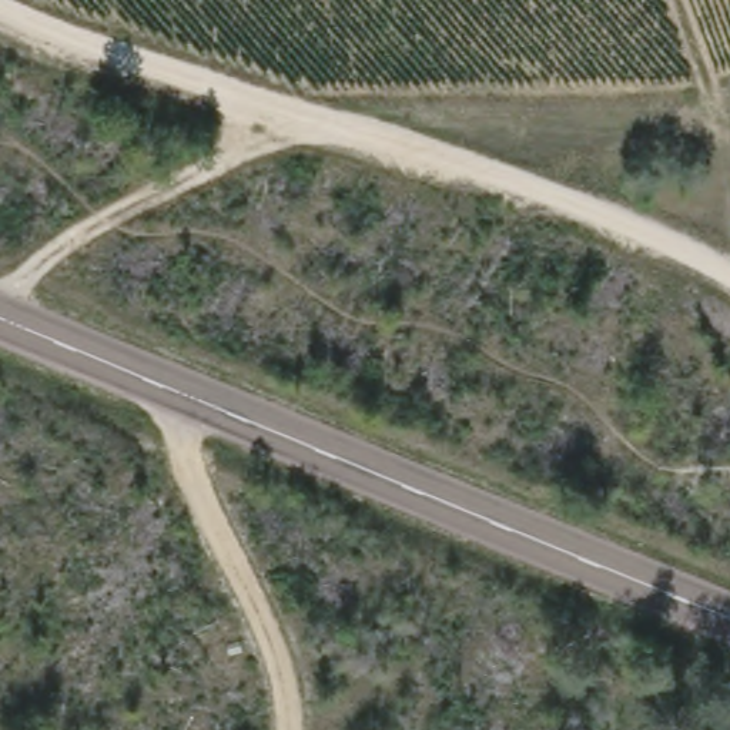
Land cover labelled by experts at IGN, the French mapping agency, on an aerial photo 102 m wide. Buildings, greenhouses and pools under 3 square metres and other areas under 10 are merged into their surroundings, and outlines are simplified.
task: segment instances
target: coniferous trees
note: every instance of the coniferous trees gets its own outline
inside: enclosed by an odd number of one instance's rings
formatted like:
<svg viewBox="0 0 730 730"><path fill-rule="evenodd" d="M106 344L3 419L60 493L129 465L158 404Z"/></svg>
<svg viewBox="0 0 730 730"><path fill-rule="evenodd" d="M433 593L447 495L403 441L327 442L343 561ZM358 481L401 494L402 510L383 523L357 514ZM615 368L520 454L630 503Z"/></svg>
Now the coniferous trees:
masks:
<svg viewBox="0 0 730 730"><path fill-rule="evenodd" d="M0 277L17 271L26 259L6 240L0 240Z"/></svg>
<svg viewBox="0 0 730 730"><path fill-rule="evenodd" d="M6 71L6 80L17 91L14 111L26 114L26 128L40 131L48 143L68 143L86 160L71 168L60 168L57 163L48 163L40 151L34 151L29 143L0 128L0 165L17 165L31 177L29 191L37 197L37 202L31 234L23 240L23 248L31 254L66 228L71 228L74 222L100 211L103 205L148 183L168 183L174 174L168 168L154 168L154 157L140 148L123 148L117 143L103 145L94 140L91 125L86 123L91 108L83 106L83 94L91 86L94 71L34 51L26 43L17 43L17 51L31 60L23 71Z"/></svg>
<svg viewBox="0 0 730 730"><path fill-rule="evenodd" d="M322 168L314 177L308 200L282 197L285 174L271 154L240 163L222 177L208 180L165 205L134 214L125 222L120 222L120 228L88 240L63 262L57 262L34 285L34 291L43 305L66 317L74 317L77 322L94 325L97 331L111 334L128 345L137 345L185 368L202 371L245 394L282 399L294 405L299 413L308 413L336 431L359 433L391 453L431 465L462 482L471 482L473 488L493 490L525 508L556 516L556 488L573 488L593 508L605 508L599 516L582 525L596 536L605 536L616 545L624 545L636 553L656 559L659 570L664 573L684 570L727 587L721 607L716 610L716 619L696 622L693 630L684 630L670 624L667 619L644 616L633 602L599 602L582 585L556 582L550 576L533 573L530 567L513 565L485 548L456 542L445 533L413 525L396 516L394 510L376 508L374 502L359 502L339 485L319 482L302 468L277 465L271 459L271 445L265 439L254 439L251 451L240 451L237 445L208 436L202 439L202 451L211 456L211 488L237 542L248 553L248 562L274 613L288 613L299 624L299 639L317 650L319 662L314 670L314 684L319 696L331 699L334 693L345 690L348 676L365 676L376 684L371 699L351 719L345 719L345 730L730 730L730 291L724 291L719 282L676 259L653 257L647 248L627 248L585 222L550 214L545 205L519 208L510 197L482 191L473 183L436 183L431 177L382 165L374 157L362 157L348 148L317 145L314 151L322 157ZM379 205L385 211L385 220L359 237L348 234L345 217L334 205L331 191L336 185L371 183L379 185ZM183 299L151 299L148 274L165 265L168 254L180 251L180 234L191 234L200 245L205 240L220 240L225 262L274 268L274 282L257 288L248 279L222 279L217 285L217 297L205 299L197 308L185 308ZM567 288L567 305L573 311L556 314L545 305L539 314L533 314L530 322L536 339L550 339L565 348L576 348L576 359L528 348L519 339L502 348L499 334L488 334L482 339L482 348L468 339L468 311L479 302L479 297L471 294L471 285L490 288L493 274L502 268L502 257L508 257L508 251L516 245L533 245L533 257L542 259L553 251L579 257L573 285ZM282 334L282 356L288 359L308 354L308 334L322 331L325 339L336 339L351 351L348 365L342 368L351 376L351 382L356 376L374 376L396 391L405 391L413 376L425 376L428 394L442 405L445 416L428 422L422 431L388 425L376 413L365 413L348 399L336 399L334 394L314 391L308 385L282 382L265 374L262 368L234 362L225 354L208 354L191 345L174 348L174 339L151 325L151 314L177 317L183 325L197 325L205 314L245 317L245 339L259 342L262 336ZM656 416L656 431L642 428L624 433L613 422L619 399L659 402L662 411ZM533 485L499 468L496 462L488 462L482 456L482 448L496 439L505 439L522 451L550 451L553 482Z"/></svg>
<svg viewBox="0 0 730 730"><path fill-rule="evenodd" d="M114 476L111 482L106 482L106 488L91 488L91 479L80 471L83 459L71 445L48 439L46 428L37 422L23 425L17 431L6 422L0 408L0 730L9 730L14 719L26 710L34 719L48 719L60 730L274 730L271 687L265 667L259 662L259 650L245 636L248 622L242 610L231 602L231 587L217 559L205 553L200 542L200 530L191 519L188 502L183 499L183 490L168 465L163 431L151 419L145 431L137 436L140 445L148 451L145 468Z"/></svg>

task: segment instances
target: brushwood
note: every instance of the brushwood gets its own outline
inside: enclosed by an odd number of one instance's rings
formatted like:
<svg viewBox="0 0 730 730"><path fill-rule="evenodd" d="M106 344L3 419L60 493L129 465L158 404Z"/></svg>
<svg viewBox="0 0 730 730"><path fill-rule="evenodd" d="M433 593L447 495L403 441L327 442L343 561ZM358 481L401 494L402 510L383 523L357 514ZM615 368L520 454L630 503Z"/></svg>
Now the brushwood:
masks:
<svg viewBox="0 0 730 730"><path fill-rule="evenodd" d="M91 488L106 488L106 482L111 482L114 476L145 468L148 451L140 445L137 436L145 431L151 419L143 408L125 399L94 396L88 394L88 388L66 376L40 371L20 356L0 354L0 408L6 422L17 431L23 425L37 422L46 428L48 439L71 445L83 459L80 471L91 479Z"/></svg>

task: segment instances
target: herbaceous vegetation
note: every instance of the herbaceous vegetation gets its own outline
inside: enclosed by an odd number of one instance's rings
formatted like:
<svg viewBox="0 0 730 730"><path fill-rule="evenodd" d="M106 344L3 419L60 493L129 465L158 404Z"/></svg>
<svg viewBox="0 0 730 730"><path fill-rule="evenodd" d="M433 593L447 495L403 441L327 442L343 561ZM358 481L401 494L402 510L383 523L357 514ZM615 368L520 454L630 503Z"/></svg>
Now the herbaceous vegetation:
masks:
<svg viewBox="0 0 730 730"><path fill-rule="evenodd" d="M319 662L317 650L299 639L299 624L288 613L274 613L297 676L302 730L345 730L345 719L351 719L371 699L376 684L365 676L348 676L345 690L334 693L331 699L319 696L314 684L314 670Z"/></svg>

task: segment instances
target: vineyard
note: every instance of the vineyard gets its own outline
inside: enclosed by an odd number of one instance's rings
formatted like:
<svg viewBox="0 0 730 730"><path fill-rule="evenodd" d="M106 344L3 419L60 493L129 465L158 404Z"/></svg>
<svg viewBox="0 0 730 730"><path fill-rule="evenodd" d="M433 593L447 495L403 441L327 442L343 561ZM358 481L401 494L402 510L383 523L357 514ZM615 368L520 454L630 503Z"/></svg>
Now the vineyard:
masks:
<svg viewBox="0 0 730 730"><path fill-rule="evenodd" d="M97 31L106 40L111 40L117 31L128 31L134 48L148 48L277 94L299 97L305 103L328 106L336 111L365 114L442 140L448 145L476 151L482 157L516 165L550 183L624 205L721 254L730 254L730 0L17 0L63 23Z"/></svg>

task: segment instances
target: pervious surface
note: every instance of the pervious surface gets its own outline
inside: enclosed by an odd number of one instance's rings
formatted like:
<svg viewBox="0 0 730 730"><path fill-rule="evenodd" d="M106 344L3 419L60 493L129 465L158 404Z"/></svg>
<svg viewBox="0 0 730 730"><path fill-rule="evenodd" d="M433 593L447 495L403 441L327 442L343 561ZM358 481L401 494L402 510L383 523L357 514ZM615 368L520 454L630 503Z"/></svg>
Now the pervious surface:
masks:
<svg viewBox="0 0 730 730"><path fill-rule="evenodd" d="M274 730L302 730L297 676L274 613L248 562L248 553L237 542L211 488L211 456L202 451L202 439L208 436L202 425L168 413L154 402L145 402L143 408L151 419L163 431L168 465L183 490L183 499L188 502L191 519L200 530L200 542L205 553L217 559L231 587L231 602L242 610L248 622L245 636L259 650L259 662L265 667L271 687Z"/></svg>
<svg viewBox="0 0 730 730"><path fill-rule="evenodd" d="M9 34L17 43L26 43L34 51L94 71L106 60L108 66L117 66L120 77L140 74L151 86L168 86L183 91L183 97L217 100L222 117L217 154L202 157L194 165L185 165L174 174L168 183L148 183L103 205L100 211L74 222L71 228L66 228L31 254L26 259L17 271L0 277L0 291L11 297L29 297L34 291L34 285L57 262L63 262L88 240L120 228L120 222L125 222L134 214L165 205L208 180L222 177L240 163L271 154L288 151L294 145L317 145L348 148L362 157L374 157L382 165L431 177L436 183L473 183L482 191L510 197L519 208L545 205L550 214L585 222L627 248L647 248L653 257L676 259L719 282L724 291L730 291L730 254L721 254L624 205L550 183L516 165L482 157L476 151L448 145L442 140L365 114L336 111L328 106L305 103L299 97L277 94L148 48L134 48L128 31L117 31L111 40L106 40L97 31L63 23L17 0L0 0L0 34Z"/></svg>

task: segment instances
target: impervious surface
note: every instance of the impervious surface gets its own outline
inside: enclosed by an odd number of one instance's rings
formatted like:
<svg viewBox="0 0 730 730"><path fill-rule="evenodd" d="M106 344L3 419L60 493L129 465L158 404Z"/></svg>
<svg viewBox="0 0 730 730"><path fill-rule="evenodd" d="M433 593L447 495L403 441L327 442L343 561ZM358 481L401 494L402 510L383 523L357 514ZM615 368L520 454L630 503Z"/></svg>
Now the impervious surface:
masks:
<svg viewBox="0 0 730 730"><path fill-rule="evenodd" d="M11 297L0 291L0 354L20 356L40 371L66 376L88 388L88 394L94 396L125 399L143 408L145 402L154 402L168 413L202 425L208 436L237 445L240 451L251 451L254 439L265 439L271 445L271 459L277 465L302 468L319 482L339 485L359 502L374 502L376 508L394 510L396 516L413 525L445 533L456 542L485 548L513 565L530 567L533 573L550 576L556 582L582 585L599 602L633 602L644 616L667 619L670 624L684 630L693 630L696 622L716 619L716 610L721 607L727 587L684 570L664 573L659 570L656 559L636 553L624 545L616 545L605 536L596 536L582 525L556 516L525 508L493 490L473 488L471 482L462 482L431 465L391 453L359 433L336 431L308 413L299 413L294 405L282 399L245 394L202 371L185 368L137 345L128 345L111 334L97 331L94 325L77 322L74 317L66 317L43 305L34 291L29 297Z"/></svg>

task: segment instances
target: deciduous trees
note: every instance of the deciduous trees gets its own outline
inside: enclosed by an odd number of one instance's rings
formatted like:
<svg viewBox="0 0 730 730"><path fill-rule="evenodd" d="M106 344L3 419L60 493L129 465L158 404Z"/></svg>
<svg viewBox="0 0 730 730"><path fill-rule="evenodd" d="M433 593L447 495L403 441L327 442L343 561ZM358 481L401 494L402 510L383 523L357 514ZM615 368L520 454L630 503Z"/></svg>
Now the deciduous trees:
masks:
<svg viewBox="0 0 730 730"><path fill-rule="evenodd" d="M496 439L482 448L482 456L488 462L496 462L499 468L533 485L553 482L550 451L522 451L505 439Z"/></svg>
<svg viewBox="0 0 730 730"><path fill-rule="evenodd" d="M0 165L0 240L6 240L26 259L31 254L23 248L23 240L31 234L37 202L37 197L29 191L31 177L17 165Z"/></svg>
<svg viewBox="0 0 730 730"><path fill-rule="evenodd" d="M322 168L322 157L314 151L317 145L294 145L288 151L271 154L285 174L282 197L308 200L314 177Z"/></svg>
<svg viewBox="0 0 730 730"><path fill-rule="evenodd" d="M582 525L599 516L605 508L593 508L573 488L556 488L556 516Z"/></svg>
<svg viewBox="0 0 730 730"><path fill-rule="evenodd" d="M619 399L613 422L624 433L642 428L656 431L656 416L662 411L659 402Z"/></svg>
<svg viewBox="0 0 730 730"><path fill-rule="evenodd" d="M183 299L185 308L197 308L205 299L217 297L217 285L222 279L248 279L257 288L274 282L274 268L225 262L220 240L205 240L200 245L191 234L180 234L180 251L168 254L165 265L148 274L151 299Z"/></svg>
<svg viewBox="0 0 730 730"><path fill-rule="evenodd" d="M60 730L48 719L34 719L26 710L14 719L9 730Z"/></svg>
<svg viewBox="0 0 730 730"><path fill-rule="evenodd" d="M536 339L530 322L533 314L539 314L545 305L556 314L573 311L567 305L567 288L573 285L579 257L553 251L542 259L533 257L533 245L516 245L508 251L508 257L502 257L502 268L493 274L490 288L471 285L471 294L479 297L479 302L468 311L468 339L482 348L482 339L488 334L499 334L502 348L519 339L528 348L576 359L576 348L565 348L550 339Z"/></svg>
<svg viewBox="0 0 730 730"><path fill-rule="evenodd" d="M359 237L385 220L385 211L379 205L379 185L371 183L336 185L331 191L334 205L345 217L348 234Z"/></svg>
<svg viewBox="0 0 730 730"><path fill-rule="evenodd" d="M217 100L183 97L183 91L168 86L151 86L140 74L120 77L117 66L108 66L106 60L94 71L91 86L83 94L83 106L91 108L86 123L91 125L94 140L103 145L117 143L123 148L140 148L154 157L154 168L168 168L174 174L185 165L194 165L202 157L217 154L222 117Z"/></svg>
<svg viewBox="0 0 730 730"><path fill-rule="evenodd" d="M351 351L336 339L325 339L322 331L308 334L308 354L288 359L282 356L282 334L262 336L259 342L245 339L245 317L205 314L197 325L183 325L177 317L151 314L151 325L174 339L174 348L191 345L208 354L225 354L234 362L262 368L265 374L282 382L308 385L314 391L334 394L336 399L348 399L365 413L376 413L388 425L422 431L428 422L445 416L442 405L428 394L425 376L413 376L405 391L396 391L374 376L356 376L351 382L351 376L342 368L348 365Z"/></svg>
<svg viewBox="0 0 730 730"><path fill-rule="evenodd" d="M40 131L26 128L26 114L14 111L17 91L6 80L6 71L23 71L31 60L17 51L17 43L9 34L0 34L0 128L29 143L34 151L40 151L48 163L57 163L60 168L71 168L86 160L68 143L48 143Z"/></svg>

